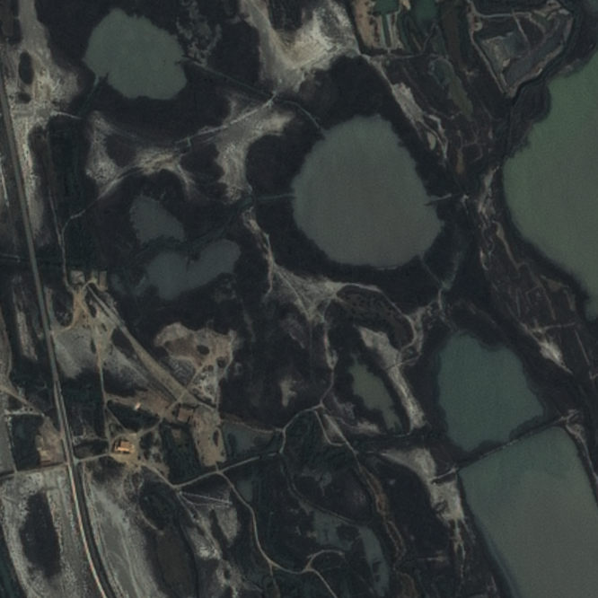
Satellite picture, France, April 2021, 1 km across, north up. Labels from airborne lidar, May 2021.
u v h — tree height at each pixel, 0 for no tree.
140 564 0
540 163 0
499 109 0
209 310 0
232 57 0
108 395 0
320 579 0
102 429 7
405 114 0
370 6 0
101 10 0
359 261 0
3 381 0
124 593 0
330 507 0
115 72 0
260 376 0
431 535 0
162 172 0
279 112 0
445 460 0
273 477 0
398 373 0
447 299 0
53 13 0
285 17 0
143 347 0
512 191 0
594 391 0
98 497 0
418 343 0
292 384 0
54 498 0
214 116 0
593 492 0
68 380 0
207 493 0
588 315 0
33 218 0
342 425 0
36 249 0
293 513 0
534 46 0
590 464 0
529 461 0
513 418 0
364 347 0
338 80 0
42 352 0
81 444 0
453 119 0
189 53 0
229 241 0
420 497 0
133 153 0
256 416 0
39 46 0
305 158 0
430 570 0
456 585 0
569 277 0
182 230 0
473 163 0
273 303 0
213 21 0
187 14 0
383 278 0
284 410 0
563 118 0
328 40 0
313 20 0
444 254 0
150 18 0
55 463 0
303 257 0
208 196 0
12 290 0
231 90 0
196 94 0
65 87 0
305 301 0
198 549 0
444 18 0
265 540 0
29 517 0
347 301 0
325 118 0
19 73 0
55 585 0
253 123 0
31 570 0
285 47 0
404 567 0
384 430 0
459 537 0
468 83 0
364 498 0
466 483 0
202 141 0
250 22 0
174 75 0
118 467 0
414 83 0
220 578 0
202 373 0
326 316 0
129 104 0
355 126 0
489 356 0
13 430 0
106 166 0
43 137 0
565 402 0
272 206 0
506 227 0
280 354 0
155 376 0
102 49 0
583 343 0
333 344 0
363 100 0
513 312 0
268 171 0
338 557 0
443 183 0
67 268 6
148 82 0
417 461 0
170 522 0
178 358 0
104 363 0
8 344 0
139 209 0
